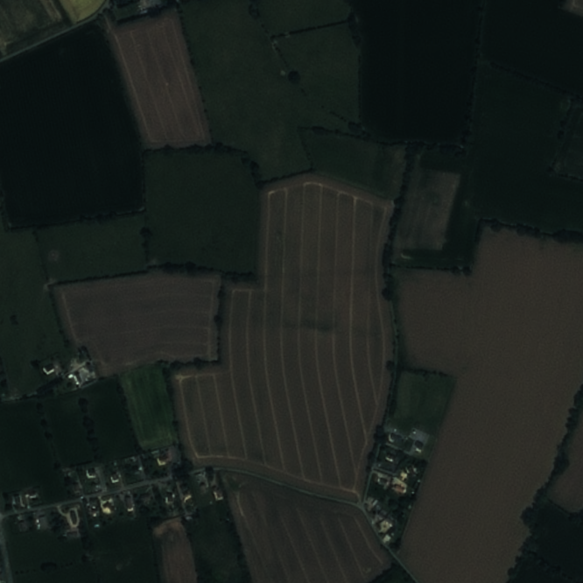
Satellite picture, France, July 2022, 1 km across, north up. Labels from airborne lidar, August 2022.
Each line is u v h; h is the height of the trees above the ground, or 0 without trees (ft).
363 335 0
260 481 0
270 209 0
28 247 0
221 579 0
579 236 58
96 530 0
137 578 0
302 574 0
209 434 0
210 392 0
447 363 0
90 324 0
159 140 0
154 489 30
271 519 0
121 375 0
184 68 0
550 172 40
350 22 45
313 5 0
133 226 0
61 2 0
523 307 0
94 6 0
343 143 0
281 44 0
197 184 0
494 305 0
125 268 0
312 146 0
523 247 0
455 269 38
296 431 0
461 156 40
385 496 22
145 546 0
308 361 0
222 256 0
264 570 0
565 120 37
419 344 0
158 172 0
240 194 0
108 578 0
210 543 0
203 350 0
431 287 0
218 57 0
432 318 0
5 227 24
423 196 0
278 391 0
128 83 0
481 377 0
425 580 0
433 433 0
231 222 0
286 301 0
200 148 29
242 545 39
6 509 27
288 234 0
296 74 46
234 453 0
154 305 0
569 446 0
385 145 22
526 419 0
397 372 21
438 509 0
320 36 0
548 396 0
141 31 0
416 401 0
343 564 0
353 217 0
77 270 0
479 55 18
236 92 0
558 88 32
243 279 22
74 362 0
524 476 0
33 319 0
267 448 0
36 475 0
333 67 0
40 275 0
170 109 0
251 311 0
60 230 0
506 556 0
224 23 0
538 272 0
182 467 35
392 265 36
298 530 0
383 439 51
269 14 0
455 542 0
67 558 0
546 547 0
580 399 57
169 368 24
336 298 0
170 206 0
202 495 0
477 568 0
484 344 0
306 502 0
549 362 0
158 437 0
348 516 0
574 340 0
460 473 0
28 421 0
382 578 23
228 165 0
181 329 0
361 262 0
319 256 0
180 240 0
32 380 0
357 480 0
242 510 0
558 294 0
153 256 0
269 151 0
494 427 0
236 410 0
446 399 0
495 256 0
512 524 0
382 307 0
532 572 0
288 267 0
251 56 0
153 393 0
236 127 0
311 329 0
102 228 0
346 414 0
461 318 0
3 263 0
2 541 0
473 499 0
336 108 0
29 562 0
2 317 0
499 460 0
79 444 0
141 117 0
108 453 0
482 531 0
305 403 0
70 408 0
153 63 0
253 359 0
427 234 0
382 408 0
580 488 0
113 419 0
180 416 0
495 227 53
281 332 0
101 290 0
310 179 0
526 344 0
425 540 0
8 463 0
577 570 0
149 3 0
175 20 0
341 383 0
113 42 0
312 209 0
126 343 0
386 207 0
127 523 0
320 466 0
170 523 0
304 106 0
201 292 0
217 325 34
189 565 0
